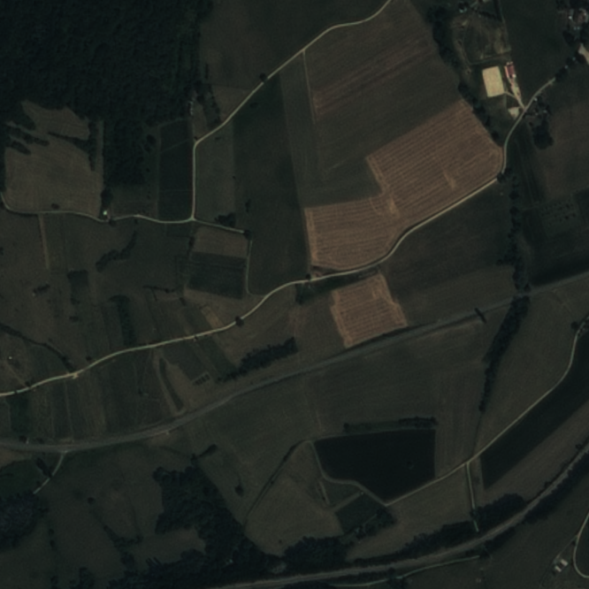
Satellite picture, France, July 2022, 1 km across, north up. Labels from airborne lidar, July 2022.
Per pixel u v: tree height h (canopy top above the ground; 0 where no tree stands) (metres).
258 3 0
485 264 0
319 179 0
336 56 0
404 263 0
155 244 0
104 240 0
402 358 0
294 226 0
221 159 0
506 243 0
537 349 0
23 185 0
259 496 0
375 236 0
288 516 0
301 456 0
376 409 0
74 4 24
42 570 0
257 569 16
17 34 20
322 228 0
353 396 0
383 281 0
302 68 0
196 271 0
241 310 0
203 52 0
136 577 17
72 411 0
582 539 0
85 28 19
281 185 0
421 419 8
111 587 7
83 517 0
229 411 0
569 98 0
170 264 0
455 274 0
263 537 0
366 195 0
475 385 0
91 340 0
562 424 0
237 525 23
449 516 0
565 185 0
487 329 0
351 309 0
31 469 0
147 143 18
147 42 15
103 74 16
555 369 0
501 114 0
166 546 0
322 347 0
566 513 0
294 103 0
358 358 0
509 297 0
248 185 0
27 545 0
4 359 0
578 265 0
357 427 0
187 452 0
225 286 0
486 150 0
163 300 0
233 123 0
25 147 9
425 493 0
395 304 0
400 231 0
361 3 0
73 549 0
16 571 0
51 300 0
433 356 0
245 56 0
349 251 0
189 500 6
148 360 0
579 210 0
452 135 0
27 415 0
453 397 0
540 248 0
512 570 0
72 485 0
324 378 0
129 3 10
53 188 0
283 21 0
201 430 0
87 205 0
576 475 14
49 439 0
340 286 0
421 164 0
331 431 0
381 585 0
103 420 0
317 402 0
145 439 0
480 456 0
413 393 0
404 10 0
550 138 11
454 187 0
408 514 0
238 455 0
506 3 0
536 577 0
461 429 0
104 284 0
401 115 0
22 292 0
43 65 17
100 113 15
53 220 0
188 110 9
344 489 0
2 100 19
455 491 0
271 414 0
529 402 0
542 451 0
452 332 0
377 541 0
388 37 0
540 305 0
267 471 0
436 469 0
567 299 0
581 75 0
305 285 0
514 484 0
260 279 0
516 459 0
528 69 0
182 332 0
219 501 12
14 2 19
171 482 6
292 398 0
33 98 8
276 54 0
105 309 0
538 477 0
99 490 0
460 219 0
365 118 0
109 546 0
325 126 0
